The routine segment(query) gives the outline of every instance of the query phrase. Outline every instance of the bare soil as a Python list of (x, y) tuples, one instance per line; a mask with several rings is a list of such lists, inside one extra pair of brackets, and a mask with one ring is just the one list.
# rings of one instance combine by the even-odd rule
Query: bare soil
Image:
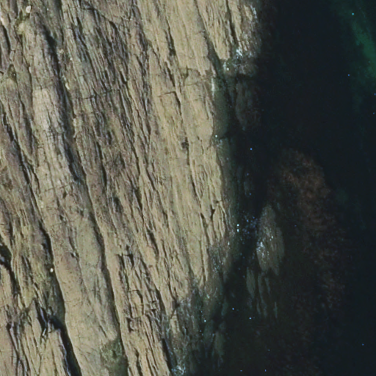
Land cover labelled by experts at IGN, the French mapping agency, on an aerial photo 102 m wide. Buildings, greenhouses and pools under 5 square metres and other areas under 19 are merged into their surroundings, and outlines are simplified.
[(125, 354), (126, 357), (128, 357), (129, 363), (128, 376), (169, 376), (160, 339), (170, 333), (173, 335), (179, 332), (172, 298), (184, 300), (192, 286), (198, 285), (200, 288), (204, 282), (209, 282), (207, 251), (213, 248), (213, 244), (219, 244), (220, 238), (225, 236), (223, 216), (226, 209), (220, 191), (220, 166), (223, 162), (229, 162), (229, 150), (226, 142), (219, 140), (219, 135), (226, 131), (228, 126), (223, 94), (234, 94), (235, 73), (248, 73), (253, 69), (253, 54), (260, 47), (260, 41), (251, 34), (254, 29), (253, 18), (257, 18), (256, 9), (260, 6), (260, 0), (0, 0), (0, 376), (70, 376), (63, 367), (62, 338), (50, 323), (53, 316), (65, 322), (82, 376), (109, 376), (109, 370), (112, 369), (112, 367), (116, 367), (116, 364), (119, 363), (120, 358), (122, 358)]

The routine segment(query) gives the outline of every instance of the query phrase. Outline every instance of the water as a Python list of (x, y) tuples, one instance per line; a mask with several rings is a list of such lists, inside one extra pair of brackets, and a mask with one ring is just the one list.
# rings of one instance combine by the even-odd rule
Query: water
[(219, 244), (213, 244), (213, 248), (207, 251), (209, 282), (204, 282), (200, 288), (198, 285), (192, 286), (184, 300), (172, 298), (179, 332), (173, 335), (170, 333), (160, 339), (169, 376), (376, 376), (376, 0), (260, 0), (260, 6), (256, 9), (257, 18), (253, 18), (254, 29), (251, 34), (260, 41), (260, 47), (253, 54), (253, 69), (248, 73), (235, 73), (234, 94), (223, 94), (228, 126), (226, 131), (219, 135), (219, 140), (226, 142), (229, 150), (229, 162), (223, 162), (220, 166), (220, 191), (226, 209), (223, 216), (225, 236), (220, 238)]
[(128, 376), (129, 363), (128, 357), (126, 357), (125, 354), (122, 358), (120, 358), (119, 363), (116, 364), (116, 367), (112, 367), (112, 369), (109, 370), (109, 376)]
[(62, 338), (63, 367), (70, 376), (82, 376), (65, 322), (53, 316), (50, 323)]

